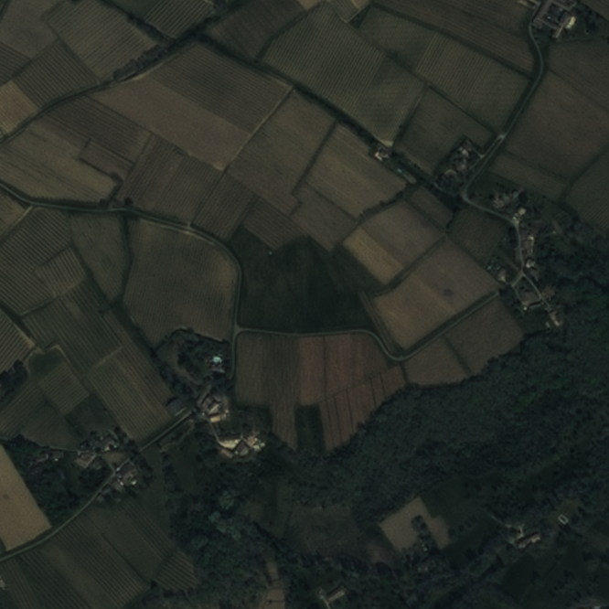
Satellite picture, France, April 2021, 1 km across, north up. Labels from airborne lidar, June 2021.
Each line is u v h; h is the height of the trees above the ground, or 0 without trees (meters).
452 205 0
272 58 0
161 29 0
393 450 25
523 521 22
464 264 0
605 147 0
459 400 21
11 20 0
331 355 0
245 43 0
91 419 0
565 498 17
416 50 0
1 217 0
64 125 0
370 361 0
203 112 0
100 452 8
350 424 0
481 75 0
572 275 19
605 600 0
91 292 0
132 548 0
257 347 0
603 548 0
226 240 0
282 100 0
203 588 13
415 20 0
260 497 0
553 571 0
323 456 0
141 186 0
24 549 0
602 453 15
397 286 0
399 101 0
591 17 11
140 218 0
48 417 0
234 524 37
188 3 0
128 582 0
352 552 0
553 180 0
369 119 0
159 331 0
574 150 0
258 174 0
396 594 8
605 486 23
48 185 0
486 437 25
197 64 0
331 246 0
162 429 0
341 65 0
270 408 0
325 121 0
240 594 16
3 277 0
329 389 0
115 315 0
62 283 0
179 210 0
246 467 11
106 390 0
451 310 0
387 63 0
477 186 0
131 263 0
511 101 0
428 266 0
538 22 0
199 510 18
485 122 0
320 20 0
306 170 0
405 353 0
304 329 0
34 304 0
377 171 0
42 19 0
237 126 0
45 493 12
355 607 25
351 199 0
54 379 0
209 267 0
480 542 0
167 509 11
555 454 19
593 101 0
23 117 0
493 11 0
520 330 0
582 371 29
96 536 0
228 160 0
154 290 0
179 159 0
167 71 0
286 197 0
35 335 0
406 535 0
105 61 0
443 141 0
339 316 0
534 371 24
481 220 0
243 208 0
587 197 0
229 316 0
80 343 0
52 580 0
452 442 24
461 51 0
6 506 0
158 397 0
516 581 0
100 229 0
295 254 0
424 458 22
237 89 0
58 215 0
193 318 0
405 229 0
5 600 0
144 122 0
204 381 7
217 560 20
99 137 0
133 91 0
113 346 0
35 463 11
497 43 0
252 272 0
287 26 0
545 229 7
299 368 0
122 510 0
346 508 16
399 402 21
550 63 0
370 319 0
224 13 17
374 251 0
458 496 0
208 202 0
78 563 0
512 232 10
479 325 0
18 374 16
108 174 0
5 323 0
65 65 0
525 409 18
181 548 12
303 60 0
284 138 0
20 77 0
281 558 9
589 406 14
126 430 0
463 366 0
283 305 0
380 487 15
